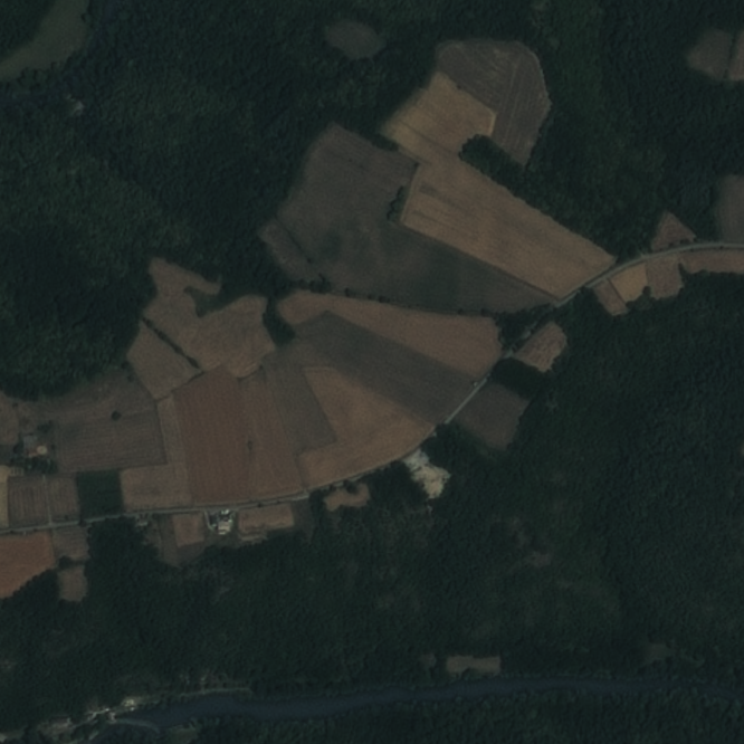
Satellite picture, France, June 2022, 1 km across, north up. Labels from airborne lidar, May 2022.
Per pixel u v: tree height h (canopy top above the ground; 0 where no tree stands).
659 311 13
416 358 0
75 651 11
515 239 0
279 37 18
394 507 10
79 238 20
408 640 16
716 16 15
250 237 10
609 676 11
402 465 12
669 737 16
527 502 10
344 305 0
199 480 0
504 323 9
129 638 13
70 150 16
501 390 0
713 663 23
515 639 16
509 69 0
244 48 13
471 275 0
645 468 8
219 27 13
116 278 15
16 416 0
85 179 15
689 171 24
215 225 13
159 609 12
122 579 8
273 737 17
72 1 0
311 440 0
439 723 26
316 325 0
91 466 0
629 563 9
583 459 8
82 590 0
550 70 13
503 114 0
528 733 11
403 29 14
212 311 0
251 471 0
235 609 12
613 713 24
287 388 0
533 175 11
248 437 0
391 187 0
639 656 24
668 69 13
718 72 0
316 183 0
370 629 12
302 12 15
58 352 23
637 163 13
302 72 17
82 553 0
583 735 11
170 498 0
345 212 0
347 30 0
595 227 15
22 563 0
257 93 15
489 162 15
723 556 8
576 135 14
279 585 10
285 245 0
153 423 0
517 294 0
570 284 0
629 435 14
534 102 0
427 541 6
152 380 0
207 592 11
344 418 0
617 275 0
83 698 9
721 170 15
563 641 18
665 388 10
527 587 7
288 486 0
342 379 0
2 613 7
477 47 0
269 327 8
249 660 14
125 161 19
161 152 11
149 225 13
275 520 0
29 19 18
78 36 0
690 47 14
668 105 14
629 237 10
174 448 0
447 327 0
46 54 0
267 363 0
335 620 8
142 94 15
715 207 11
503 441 0
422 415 0
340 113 15
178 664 19
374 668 22
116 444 0
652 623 13
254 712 0
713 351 10
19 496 0
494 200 0
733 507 10
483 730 20
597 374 9
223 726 23
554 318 11
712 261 0
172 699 17
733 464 10
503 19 16
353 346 0
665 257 0
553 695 16
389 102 16
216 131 12
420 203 0
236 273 19
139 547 13
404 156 0
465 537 15
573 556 8
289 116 24
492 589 8
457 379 0
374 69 20
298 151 9
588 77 18
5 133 27
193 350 0
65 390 13
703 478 6
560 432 11
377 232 0
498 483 13
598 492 14
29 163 10
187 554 0
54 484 0
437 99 0
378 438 0
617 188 15
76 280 22
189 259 16
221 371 0
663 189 17
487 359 0
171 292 0
